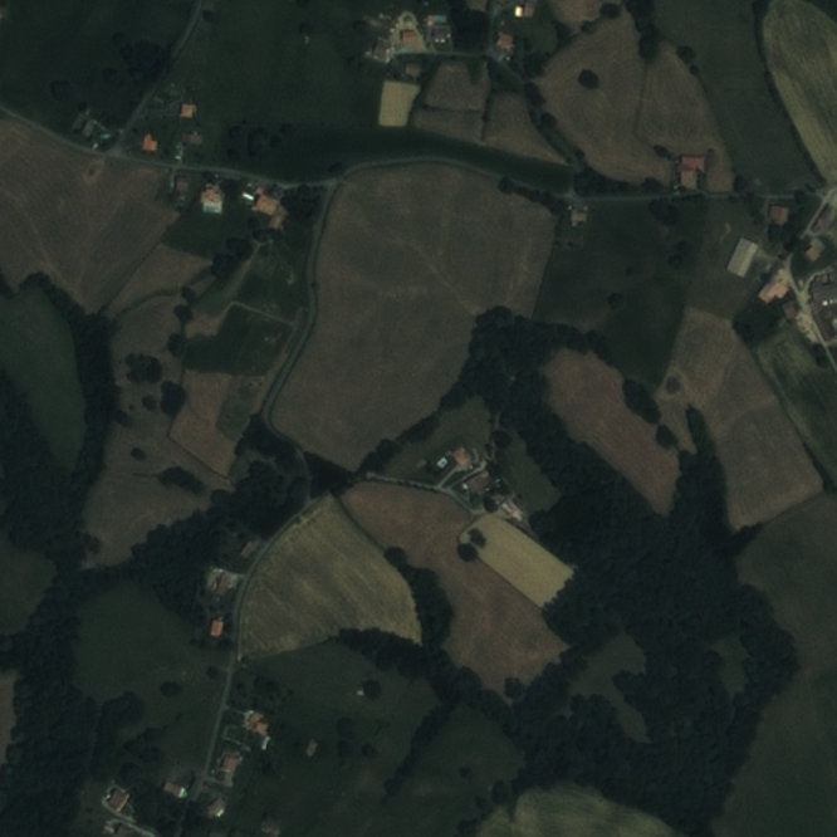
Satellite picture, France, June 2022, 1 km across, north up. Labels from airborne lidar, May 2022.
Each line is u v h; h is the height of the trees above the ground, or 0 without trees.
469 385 20
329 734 0
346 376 0
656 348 0
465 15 17
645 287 0
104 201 0
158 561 18
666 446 11
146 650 0
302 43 0
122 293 0
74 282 0
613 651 0
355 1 0
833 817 0
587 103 0
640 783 26
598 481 23
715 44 0
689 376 0
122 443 0
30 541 23
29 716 20
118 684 0
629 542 33
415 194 0
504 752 0
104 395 24
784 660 25
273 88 0
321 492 13
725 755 25
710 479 28
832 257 0
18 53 0
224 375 0
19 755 18
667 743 25
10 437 23
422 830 0
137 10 0
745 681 0
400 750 0
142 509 0
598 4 0
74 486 19
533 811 0
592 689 0
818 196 0
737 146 0
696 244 0
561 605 14
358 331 0
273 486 13
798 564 0
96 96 0
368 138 0
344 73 0
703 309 0
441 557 0
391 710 0
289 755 0
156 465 0
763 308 0
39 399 0
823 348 13
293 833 0
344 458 0
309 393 0
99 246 0
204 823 16
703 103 0
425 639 8
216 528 18
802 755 0
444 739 0
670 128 0
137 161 0
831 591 0
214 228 0
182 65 0
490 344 27
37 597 0
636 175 0
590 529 12
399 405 0
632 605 26
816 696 0
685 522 25
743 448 0
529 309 0
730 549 15
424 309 0
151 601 0
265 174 0
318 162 0
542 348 25
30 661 20
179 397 22
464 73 0
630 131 0
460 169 0
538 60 11
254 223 14
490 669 0
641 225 0
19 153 0
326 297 0
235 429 0
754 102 0
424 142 0
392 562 18
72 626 17
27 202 0
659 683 26
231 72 0
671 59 0
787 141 0
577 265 0
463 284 0
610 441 0
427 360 0
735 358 0
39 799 21
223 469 0
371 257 0
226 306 0
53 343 0
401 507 0
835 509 0
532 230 0
